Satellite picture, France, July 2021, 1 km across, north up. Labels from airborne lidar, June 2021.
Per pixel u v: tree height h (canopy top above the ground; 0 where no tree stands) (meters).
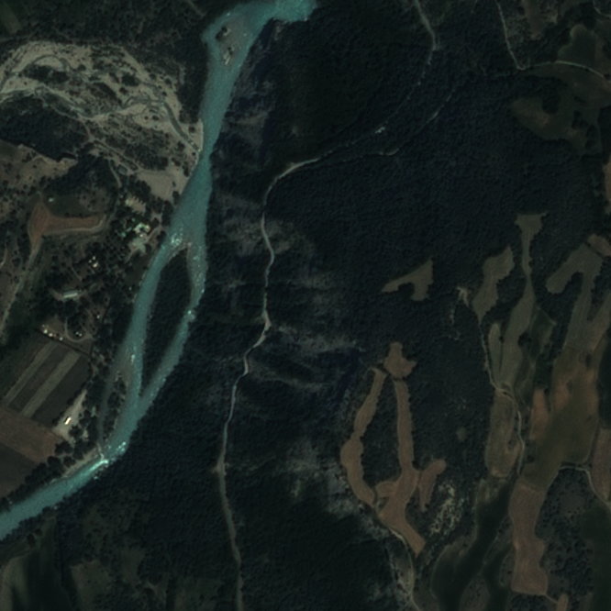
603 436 0
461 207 13
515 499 0
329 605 6
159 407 12
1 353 12
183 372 9
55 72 6
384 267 11
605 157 9
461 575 0
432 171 12
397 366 0
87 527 0
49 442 0
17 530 8
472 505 7
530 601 6
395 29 13
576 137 0
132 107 0
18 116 6
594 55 0
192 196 0
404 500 0
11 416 0
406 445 0
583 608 0
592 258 0
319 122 11
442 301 12
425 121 6
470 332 11
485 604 0
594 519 0
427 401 12
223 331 7
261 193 10
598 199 9
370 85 8
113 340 10
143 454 11
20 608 0
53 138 7
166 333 10
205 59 7
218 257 8
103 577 0
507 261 0
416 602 0
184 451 7
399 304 15
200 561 8
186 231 0
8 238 6
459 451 8
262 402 6
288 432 9
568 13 7
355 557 7
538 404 0
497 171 12
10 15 0
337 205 9
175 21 7
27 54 0
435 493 5
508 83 15
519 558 0
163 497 6
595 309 0
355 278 10
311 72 10
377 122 14
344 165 13
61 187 8
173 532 11
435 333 11
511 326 0
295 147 9
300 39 12
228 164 7
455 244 9
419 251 19
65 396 0
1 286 0
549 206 16
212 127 0
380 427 9
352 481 0
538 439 0
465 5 8
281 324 7
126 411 0
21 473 0
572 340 0
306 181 13
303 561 9
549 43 8
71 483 0
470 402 6
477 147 12
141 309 0
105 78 0
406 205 12
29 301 7
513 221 9
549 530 0
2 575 0
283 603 7
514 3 6
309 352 0
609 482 0
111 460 0
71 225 0
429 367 15
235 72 0
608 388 0
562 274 0
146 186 8
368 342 10
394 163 7
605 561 0
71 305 12
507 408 0
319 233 8
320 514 7
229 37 0
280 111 6
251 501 10
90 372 8
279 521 10
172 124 0
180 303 11
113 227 10
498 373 0
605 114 13
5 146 0
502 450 0
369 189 13
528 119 0
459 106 12
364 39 8
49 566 0
